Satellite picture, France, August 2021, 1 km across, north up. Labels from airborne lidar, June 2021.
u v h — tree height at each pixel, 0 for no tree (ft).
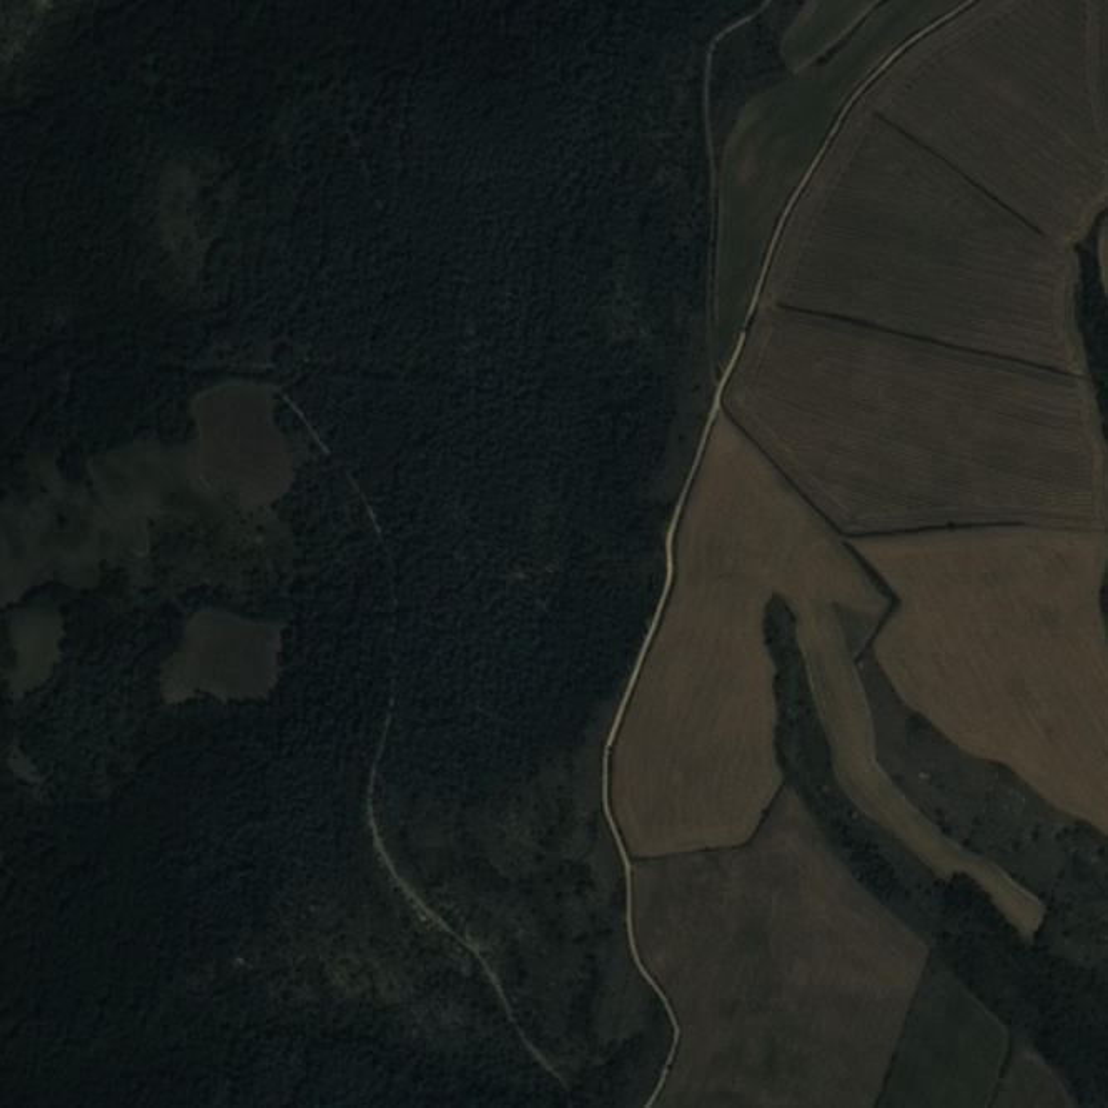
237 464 0
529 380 20
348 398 38
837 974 0
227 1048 31
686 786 0
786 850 0
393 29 47
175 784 28
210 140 21
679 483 0
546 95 43
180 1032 34
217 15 32
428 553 17
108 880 46
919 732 0
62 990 41
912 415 0
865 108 0
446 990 23
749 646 0
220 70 43
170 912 36
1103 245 0
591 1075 21
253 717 43
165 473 0
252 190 26
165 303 27
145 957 36
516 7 72
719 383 0
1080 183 0
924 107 0
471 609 24
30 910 67
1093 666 0
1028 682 0
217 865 32
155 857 39
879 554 0
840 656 0
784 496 0
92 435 31
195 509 0
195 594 27
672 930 0
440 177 39
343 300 35
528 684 22
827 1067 0
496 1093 24
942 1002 0
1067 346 0
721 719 0
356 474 36
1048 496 0
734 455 0
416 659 23
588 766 0
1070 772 0
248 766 37
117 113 31
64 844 41
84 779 28
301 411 21
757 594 0
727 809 0
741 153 0
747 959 0
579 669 21
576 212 33
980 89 0
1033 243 0
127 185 25
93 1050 22
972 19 0
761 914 0
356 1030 19
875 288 0
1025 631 0
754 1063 0
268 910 33
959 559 0
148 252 27
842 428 0
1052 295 0
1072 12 0
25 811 63
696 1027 0
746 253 0
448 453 27
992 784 0
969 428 0
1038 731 0
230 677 0
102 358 38
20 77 32
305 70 37
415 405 38
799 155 0
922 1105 0
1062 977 23
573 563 23
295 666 30
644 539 18
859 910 0
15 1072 40
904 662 0
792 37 0
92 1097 53
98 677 26
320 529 21
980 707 0
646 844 0
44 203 31
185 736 45
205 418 0
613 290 23
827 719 0
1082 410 0
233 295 30
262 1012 31
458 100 52
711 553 0
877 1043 0
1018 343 0
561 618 24
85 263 30
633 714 0
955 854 0
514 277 26
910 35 0
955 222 0
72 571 0
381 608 47
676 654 0
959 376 0
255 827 40
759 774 0
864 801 0
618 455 31
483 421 26
